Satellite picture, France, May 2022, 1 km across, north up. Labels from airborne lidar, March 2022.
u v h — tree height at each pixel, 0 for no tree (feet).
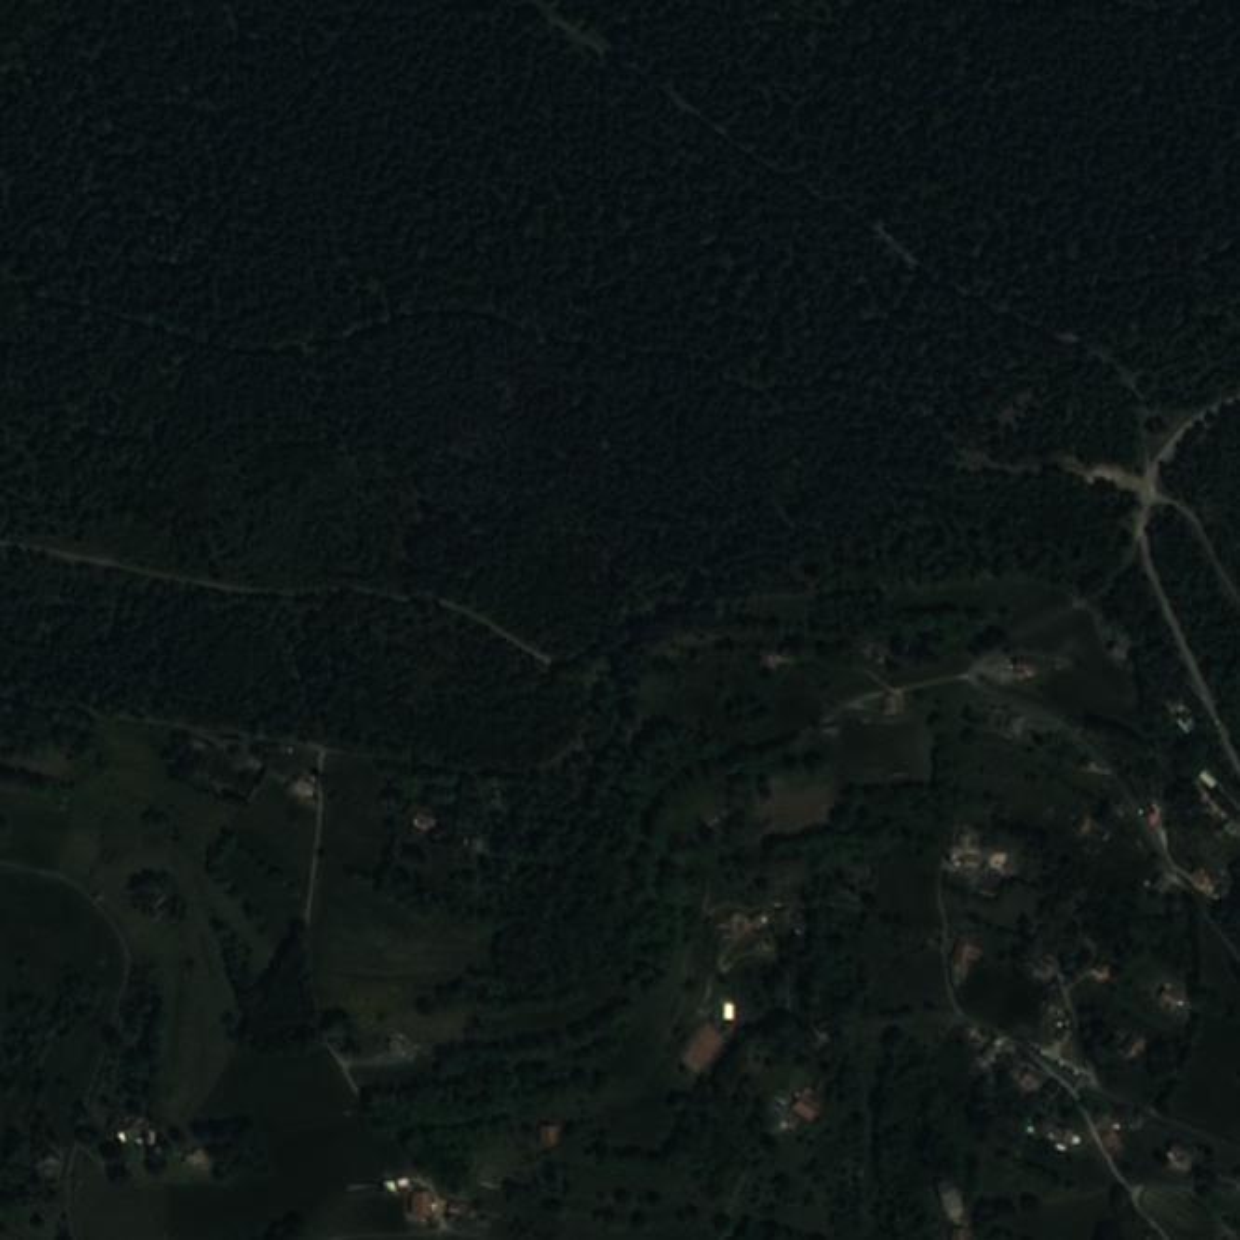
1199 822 33
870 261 91
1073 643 0
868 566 82
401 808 56
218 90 78
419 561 69
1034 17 70
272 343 54
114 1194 0
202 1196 0
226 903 0
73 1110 0
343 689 40
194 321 73
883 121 94
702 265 64
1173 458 0
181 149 78
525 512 93
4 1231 48
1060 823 0
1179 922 45
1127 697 0
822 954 59
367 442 54
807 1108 0
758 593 26
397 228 81
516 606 40
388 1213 0
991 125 98
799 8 89
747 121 88
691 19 104
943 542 78
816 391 94
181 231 61
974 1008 0
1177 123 116
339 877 0
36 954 0
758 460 80
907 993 0
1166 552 46
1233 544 35
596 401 81
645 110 102
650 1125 0
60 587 40
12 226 75
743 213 81
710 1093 52
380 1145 0
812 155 107
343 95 79
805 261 75
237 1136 80
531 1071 49
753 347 112
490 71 93
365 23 82
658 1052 0
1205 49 108
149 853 0
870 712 0
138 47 71
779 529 101
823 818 0
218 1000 0
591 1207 0
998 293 116
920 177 101
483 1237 0
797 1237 34
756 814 0
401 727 51
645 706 27
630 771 81
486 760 47
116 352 43
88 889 0
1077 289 105
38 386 66
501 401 87
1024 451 48
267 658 41
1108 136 105
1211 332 45
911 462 102
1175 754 22
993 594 0
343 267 74
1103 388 42
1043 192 77
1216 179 106
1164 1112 56
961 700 0
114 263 74
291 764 0
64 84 72
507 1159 0
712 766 52
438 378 80
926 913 0
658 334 89
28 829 0
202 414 50
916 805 35
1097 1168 0
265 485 35
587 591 54
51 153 73
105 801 0
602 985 0
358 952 0
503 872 57
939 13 99
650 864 77
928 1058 22
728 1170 48
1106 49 77
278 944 0
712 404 96
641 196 71
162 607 53
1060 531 49
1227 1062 0
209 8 75
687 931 31
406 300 51
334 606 49
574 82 95
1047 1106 29
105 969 0
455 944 0
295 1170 0
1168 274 115
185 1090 0
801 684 0
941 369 122
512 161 84
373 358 61
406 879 69
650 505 86
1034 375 55
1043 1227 0
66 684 74
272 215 102
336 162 93
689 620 97
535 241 62
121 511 38
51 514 33
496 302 43
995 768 0
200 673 55
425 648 31
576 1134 39
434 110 88
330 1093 0
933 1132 51
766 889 46
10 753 65
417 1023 0
